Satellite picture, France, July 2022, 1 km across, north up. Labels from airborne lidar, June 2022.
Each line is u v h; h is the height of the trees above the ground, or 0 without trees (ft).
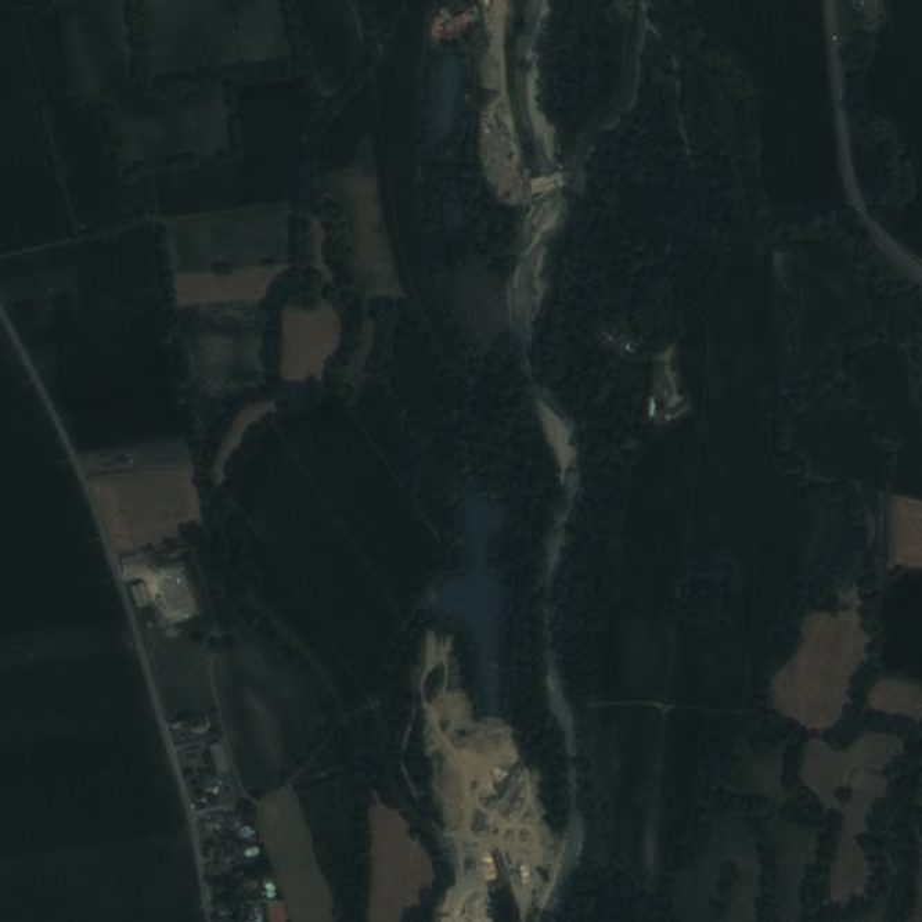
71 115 0
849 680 0
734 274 0
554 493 98
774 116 0
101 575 0
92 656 0
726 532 0
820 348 0
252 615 53
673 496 0
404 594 0
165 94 71
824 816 66
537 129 0
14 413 0
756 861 0
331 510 0
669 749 0
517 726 58
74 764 0
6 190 0
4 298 0
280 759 0
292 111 0
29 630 0
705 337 0
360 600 0
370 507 0
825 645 0
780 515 0
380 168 0
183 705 0
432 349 47
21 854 0
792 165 0
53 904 0
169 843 0
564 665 35
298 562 0
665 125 75
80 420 0
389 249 0
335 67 0
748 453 0
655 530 0
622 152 59
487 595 0
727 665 0
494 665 0
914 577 0
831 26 0
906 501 0
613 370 30
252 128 0
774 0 0
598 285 105
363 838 38
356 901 56
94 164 0
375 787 54
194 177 0
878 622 51
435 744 0
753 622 0
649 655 0
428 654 0
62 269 0
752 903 0
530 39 0
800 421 0
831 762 0
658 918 61
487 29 0
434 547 0
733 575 87
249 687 0
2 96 0
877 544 0
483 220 88
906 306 0
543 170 0
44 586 0
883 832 58
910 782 76
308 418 0
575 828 0
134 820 0
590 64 56
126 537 0
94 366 0
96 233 38
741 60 0
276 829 0
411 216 0
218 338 0
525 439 72
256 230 0
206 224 0
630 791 0
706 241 101
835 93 0
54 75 0
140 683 0
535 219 0
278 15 0
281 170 0
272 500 0
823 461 0
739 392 0
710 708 0
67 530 0
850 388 52
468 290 0
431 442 83
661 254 64
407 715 43
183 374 73
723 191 74
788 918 0
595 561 72
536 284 0
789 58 0
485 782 0
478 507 0
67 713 0
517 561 37
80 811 0
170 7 0
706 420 0
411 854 0
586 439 70
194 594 0
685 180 74
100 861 0
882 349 0
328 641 0
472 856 0
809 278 0
